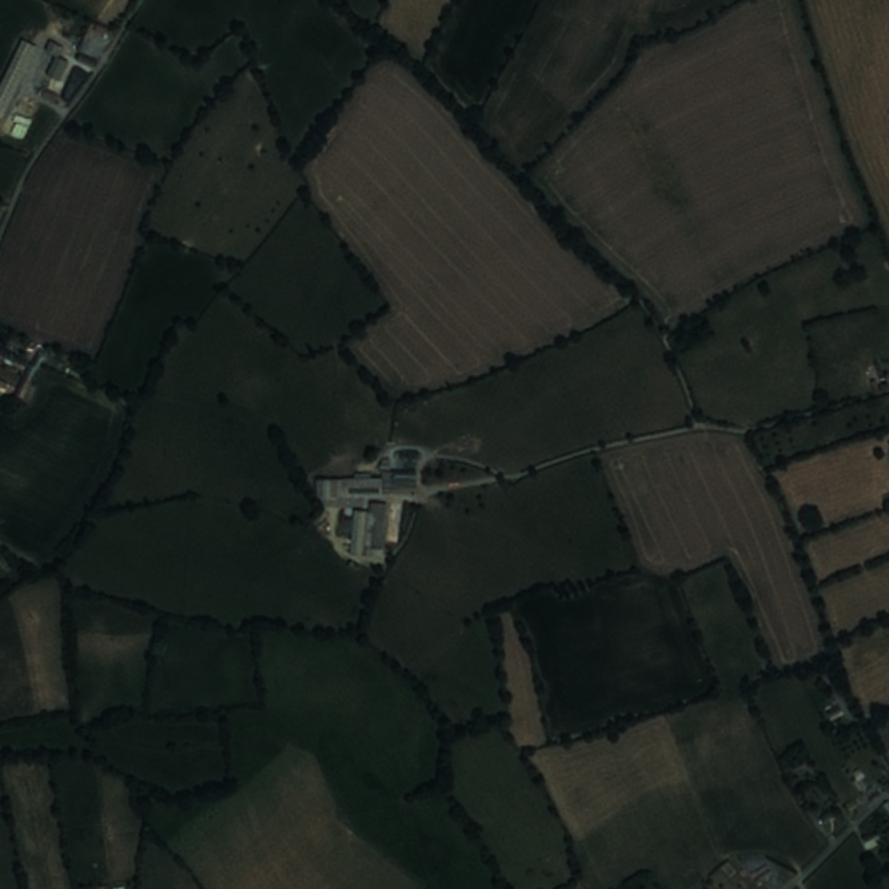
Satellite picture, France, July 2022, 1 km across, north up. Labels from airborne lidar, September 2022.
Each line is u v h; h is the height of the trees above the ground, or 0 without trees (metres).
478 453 0
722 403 0
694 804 0
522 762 10
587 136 0
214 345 0
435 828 0
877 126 0
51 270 0
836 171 0
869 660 0
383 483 0
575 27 0
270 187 0
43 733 0
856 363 0
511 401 0
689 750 0
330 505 0
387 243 0
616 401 0
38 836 0
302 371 0
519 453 0
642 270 0
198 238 0
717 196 0
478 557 0
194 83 0
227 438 0
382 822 0
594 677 0
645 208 0
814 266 0
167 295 0
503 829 0
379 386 14
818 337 0
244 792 0
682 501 0
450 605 0
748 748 0
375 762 0
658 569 0
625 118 0
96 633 0
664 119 0
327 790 0
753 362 0
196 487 0
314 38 0
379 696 0
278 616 0
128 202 0
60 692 0
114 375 0
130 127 0
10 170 0
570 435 0
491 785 0
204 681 0
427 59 8
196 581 0
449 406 0
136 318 0
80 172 0
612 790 0
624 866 0
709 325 14
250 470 0
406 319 0
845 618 0
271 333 8
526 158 0
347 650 0
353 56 0
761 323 0
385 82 0
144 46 0
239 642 0
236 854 0
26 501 0
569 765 0
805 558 16
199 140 0
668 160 0
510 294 0
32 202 0
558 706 0
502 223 0
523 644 15
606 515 0
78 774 0
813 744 0
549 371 0
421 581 0
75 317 0
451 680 0
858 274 19
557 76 0
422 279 0
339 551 0
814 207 0
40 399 0
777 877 0
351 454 0
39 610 0
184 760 0
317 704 0
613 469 0
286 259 0
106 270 0
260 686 11
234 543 0
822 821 0
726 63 0
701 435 0
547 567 0
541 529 0
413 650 0
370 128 0
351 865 0
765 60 0
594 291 0
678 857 0
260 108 0
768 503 0
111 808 0
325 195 0
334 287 0
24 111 0
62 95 0
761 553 0
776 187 0
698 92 0
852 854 0
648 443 0
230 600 0
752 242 0
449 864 0
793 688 0
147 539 0
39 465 0
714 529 0
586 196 0
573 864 9
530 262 0
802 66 0
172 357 0
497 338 0
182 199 0
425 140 0
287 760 0
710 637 0
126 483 0
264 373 0
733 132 0
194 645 0
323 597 0
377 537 0
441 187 0
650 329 13
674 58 0
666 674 0
